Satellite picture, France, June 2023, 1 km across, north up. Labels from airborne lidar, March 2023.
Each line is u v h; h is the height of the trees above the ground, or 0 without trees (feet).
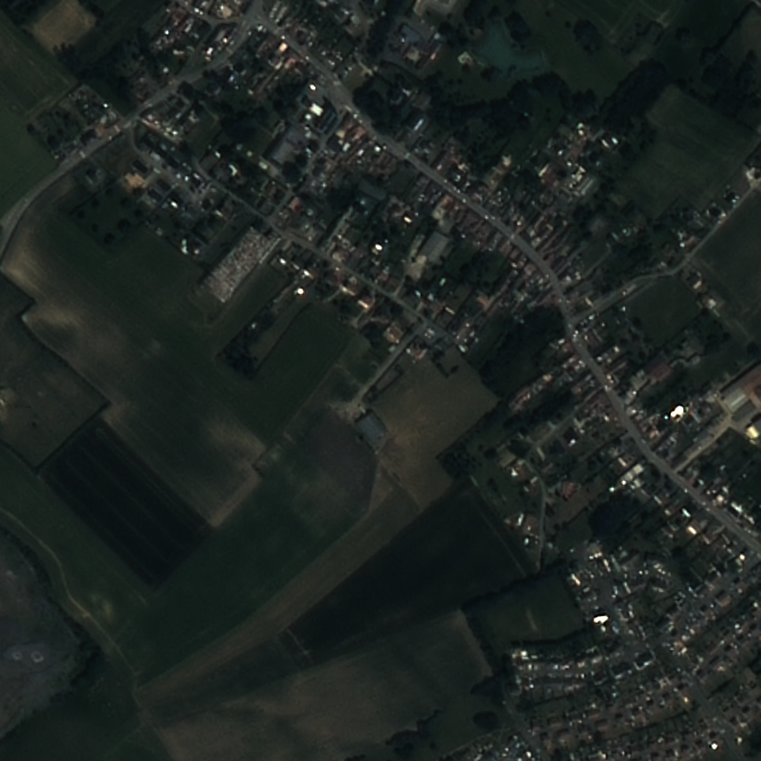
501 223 0
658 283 0
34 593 0
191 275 0
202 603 0
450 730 0
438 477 0
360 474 0
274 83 0
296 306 0
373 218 18
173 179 0
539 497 0
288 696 0
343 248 0
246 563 0
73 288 0
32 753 0
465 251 0
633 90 68
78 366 0
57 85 0
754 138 0
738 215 0
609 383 0
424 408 0
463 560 0
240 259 0
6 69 0
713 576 0
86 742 0
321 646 0
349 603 0
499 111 73
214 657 0
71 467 0
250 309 0
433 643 0
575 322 0
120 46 28
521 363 0
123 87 34
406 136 0
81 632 34
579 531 0
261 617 0
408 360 0
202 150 0
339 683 0
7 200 0
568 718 19
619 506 75
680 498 0
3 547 0
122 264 0
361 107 66
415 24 0
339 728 0
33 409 0
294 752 0
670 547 0
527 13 0
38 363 0
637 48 0
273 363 0
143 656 0
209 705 0
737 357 0
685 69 0
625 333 0
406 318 0
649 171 0
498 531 0
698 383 0
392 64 19
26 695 0
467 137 26
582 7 0
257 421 0
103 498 0
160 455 0
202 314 0
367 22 0
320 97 0
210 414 0
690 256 0
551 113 20
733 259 0
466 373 0
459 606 0
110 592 0
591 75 0
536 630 0
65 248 0
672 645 0
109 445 0
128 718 0
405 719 0
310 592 0
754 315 0
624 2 0
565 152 0
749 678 0
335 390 0
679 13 0
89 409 0
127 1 0
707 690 0
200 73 0
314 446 0
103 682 0
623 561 0
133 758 0
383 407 0
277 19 0
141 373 0
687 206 0
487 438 0
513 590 34
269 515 0
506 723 0
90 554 0
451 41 40
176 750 0
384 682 0
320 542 0
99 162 0
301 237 0
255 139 0
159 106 0
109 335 0
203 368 0
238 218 0
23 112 0
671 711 0
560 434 0
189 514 0
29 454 0
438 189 0
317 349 0
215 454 0
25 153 0
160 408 0
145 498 0
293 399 0
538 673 0
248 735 0
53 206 0
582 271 0
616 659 0
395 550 0
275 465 0
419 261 0
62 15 0
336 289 0
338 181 0
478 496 0
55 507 0
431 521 0
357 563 0
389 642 0
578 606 21
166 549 0
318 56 0
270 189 0
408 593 0
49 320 0
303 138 0
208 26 32
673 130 0
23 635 0
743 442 0
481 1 38
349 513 0
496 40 0
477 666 0
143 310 0
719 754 0
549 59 0
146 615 0
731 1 0
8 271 0
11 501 0
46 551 0
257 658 0
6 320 0
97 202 31
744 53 0
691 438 0
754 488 0
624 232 0
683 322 0
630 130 20
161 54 23
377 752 0
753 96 18
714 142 0
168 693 0
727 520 0
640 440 0
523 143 0
